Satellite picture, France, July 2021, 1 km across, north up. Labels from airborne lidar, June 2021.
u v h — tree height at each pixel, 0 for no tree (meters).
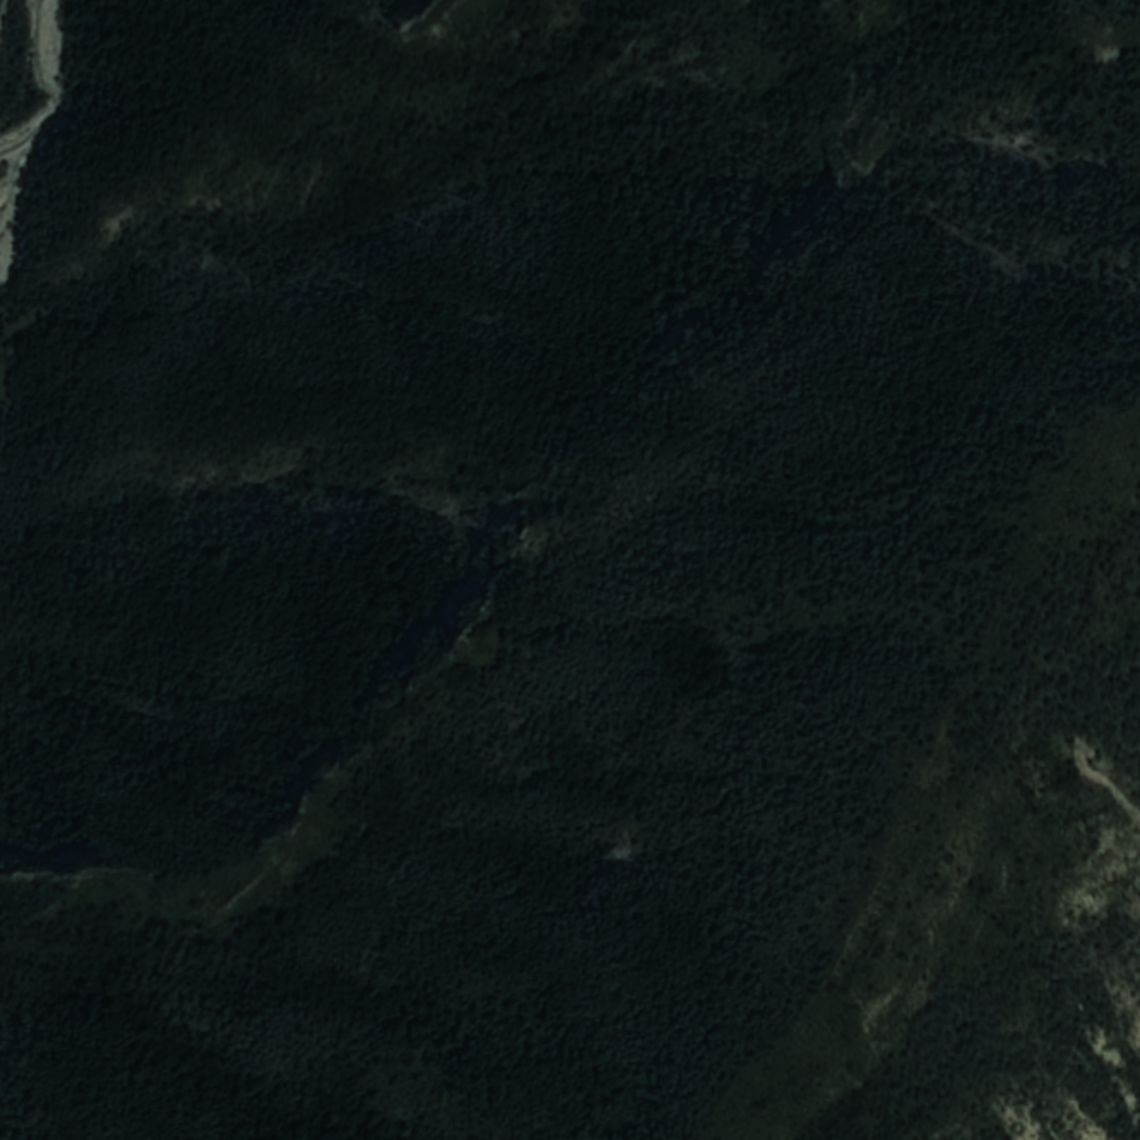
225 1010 12
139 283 15
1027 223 10
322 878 23
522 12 14
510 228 7
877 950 8
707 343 17
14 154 0
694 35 13
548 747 7
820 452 9
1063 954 10
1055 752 9
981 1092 7
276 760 8
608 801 16
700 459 11
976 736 15
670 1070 9
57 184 14
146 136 14
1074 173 10
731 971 10
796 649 9
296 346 11
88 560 20
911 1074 10
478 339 8
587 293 11
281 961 18
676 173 25
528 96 17
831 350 18
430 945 13
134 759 14
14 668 11
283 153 13
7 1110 11
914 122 8
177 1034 22
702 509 15
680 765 6
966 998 17
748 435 9
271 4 12
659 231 19
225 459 8
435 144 13
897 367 12
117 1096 15
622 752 13
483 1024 12
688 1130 9
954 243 15
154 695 8
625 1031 8
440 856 18
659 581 8
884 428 11
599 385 9
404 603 20
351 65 10
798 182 24
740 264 22
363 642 17
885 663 14
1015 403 12
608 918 14
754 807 9
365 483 7
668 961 18
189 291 12
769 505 11
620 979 15
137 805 8
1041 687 18
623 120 10
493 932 12
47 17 0
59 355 14
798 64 8
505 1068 13
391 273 12
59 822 21
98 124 15
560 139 19
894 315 13
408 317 13
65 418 16
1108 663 16
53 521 10
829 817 8
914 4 12
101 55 13
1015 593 8
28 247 13
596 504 6
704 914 13
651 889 9
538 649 11
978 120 9
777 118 13
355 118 9
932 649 9
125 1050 13
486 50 8
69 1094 12
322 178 8
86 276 9
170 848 7
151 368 14
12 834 6
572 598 13
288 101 10
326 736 11
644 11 9
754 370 15
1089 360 17
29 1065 11
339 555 18
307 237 18
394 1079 7
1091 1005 6
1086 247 12
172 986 19
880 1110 8
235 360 12
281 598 12
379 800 24
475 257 13
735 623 6
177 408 16
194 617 15
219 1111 18
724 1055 12
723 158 6
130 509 15
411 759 17
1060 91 6
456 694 9
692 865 10
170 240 11
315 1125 14
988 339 13
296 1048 11
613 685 8
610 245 11
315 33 11
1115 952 9
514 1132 8
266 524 18
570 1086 14
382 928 9
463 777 20
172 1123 14
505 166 17
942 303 14
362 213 18
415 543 10
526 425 10
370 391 10
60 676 13
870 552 12
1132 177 11
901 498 14
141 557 10
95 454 12
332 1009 20
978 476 10
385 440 9
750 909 12
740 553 13
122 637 9
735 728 10
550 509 10
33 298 11
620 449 11
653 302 23
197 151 6
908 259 17
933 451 14
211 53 15
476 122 8
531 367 12
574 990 14
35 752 14
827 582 12
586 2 8
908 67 9
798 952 5
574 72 12
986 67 11
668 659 17
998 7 15
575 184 18
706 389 5
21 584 11
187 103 10
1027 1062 9
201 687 12
